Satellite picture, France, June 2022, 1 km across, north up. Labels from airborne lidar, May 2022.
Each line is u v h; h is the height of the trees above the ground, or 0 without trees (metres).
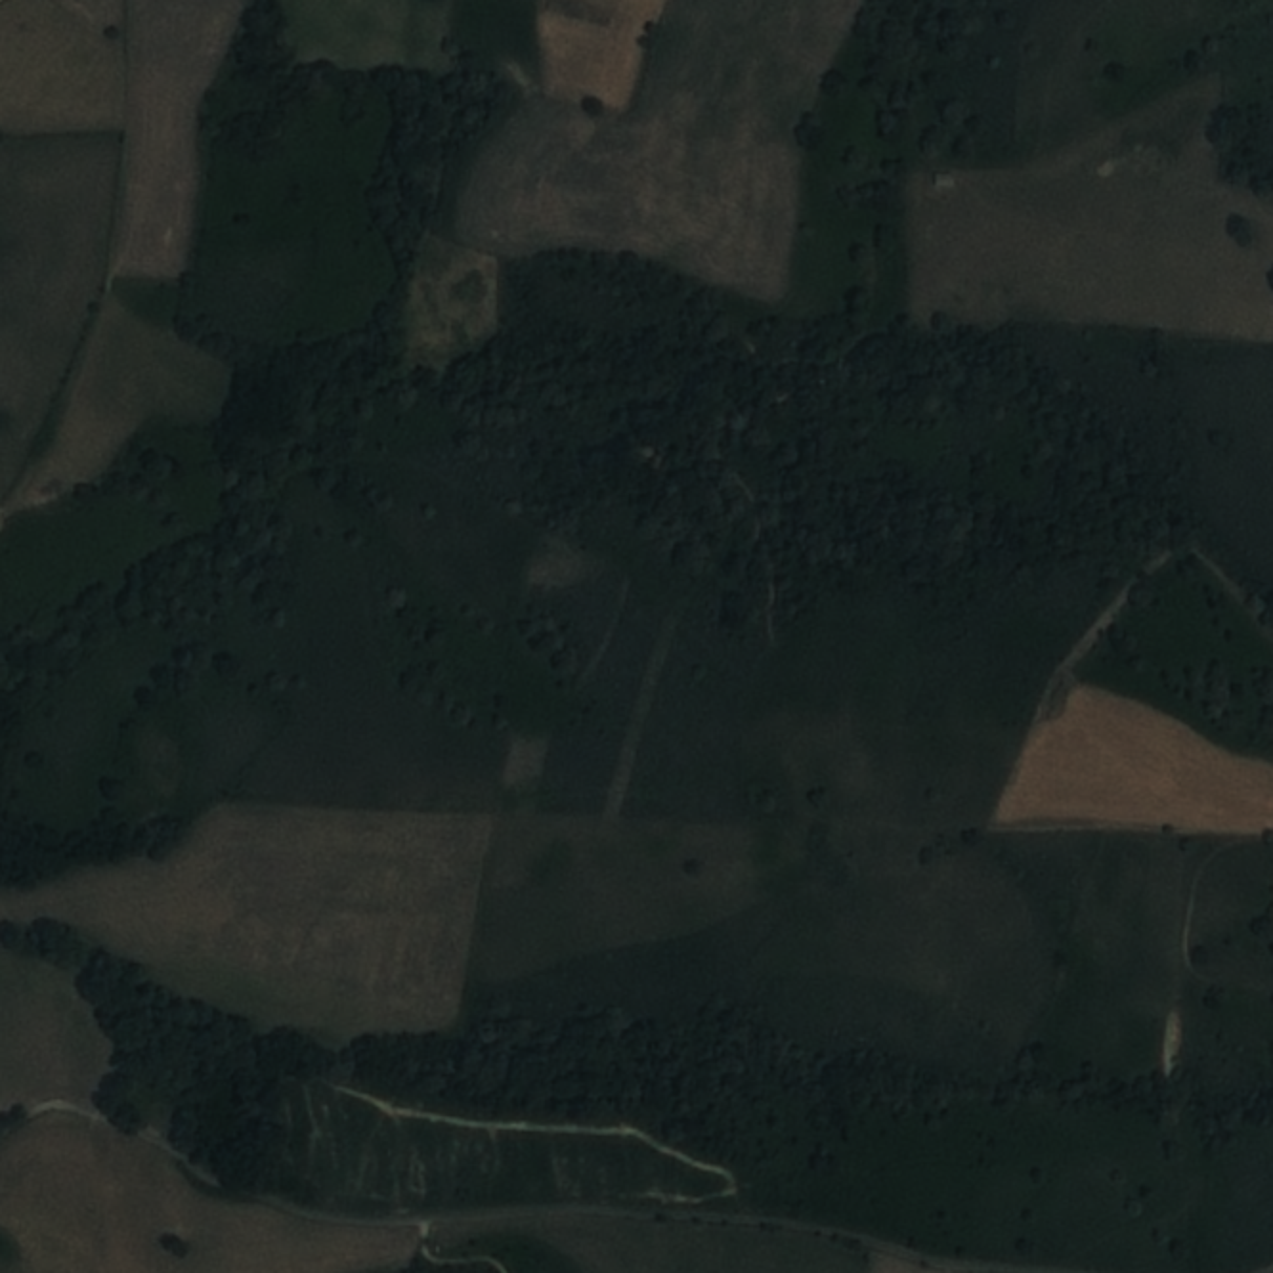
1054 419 16
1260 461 0
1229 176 6
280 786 0
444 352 0
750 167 0
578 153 0
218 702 0
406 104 22
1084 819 0
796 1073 10
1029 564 9
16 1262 0
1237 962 0
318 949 0
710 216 0
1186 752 0
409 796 0
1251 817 0
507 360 17
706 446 24
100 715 0
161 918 0
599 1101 18
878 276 0
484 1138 0
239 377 13
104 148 0
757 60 0
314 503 0
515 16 0
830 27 0
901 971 0
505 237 0
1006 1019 0
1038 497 0
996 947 0
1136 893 0
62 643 17
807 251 0
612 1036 17
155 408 0
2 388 0
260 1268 0
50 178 0
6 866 25
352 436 11
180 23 0
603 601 0
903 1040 0
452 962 0
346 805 0
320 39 0
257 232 0
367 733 0
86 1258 0
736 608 16
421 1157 0
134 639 0
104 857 14
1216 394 0
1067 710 0
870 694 0
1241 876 0
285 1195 0
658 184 0
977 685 0
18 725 9
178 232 0
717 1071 13
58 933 21
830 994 0
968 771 0
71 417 0
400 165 23
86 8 0
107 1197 0
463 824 0
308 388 23
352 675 0
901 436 0
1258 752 0
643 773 0
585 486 9
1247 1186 0
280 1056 19
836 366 18
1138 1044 0
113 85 0
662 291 9
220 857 0
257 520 18
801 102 0
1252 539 0
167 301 0
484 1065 21
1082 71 0
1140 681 0
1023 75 0
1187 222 0
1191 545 16
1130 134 0
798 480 16
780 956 0
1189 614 0
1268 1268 0
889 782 0
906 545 13
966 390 17
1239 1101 9
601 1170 0
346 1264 0
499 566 0
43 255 0
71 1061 0
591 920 0
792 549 9
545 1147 0
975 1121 0
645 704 0
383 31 0
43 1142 0
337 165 0
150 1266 0
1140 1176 0
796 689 0
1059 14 0
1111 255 0
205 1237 0
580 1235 0
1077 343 0
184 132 0
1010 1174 0
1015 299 0
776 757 0
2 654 13
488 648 0
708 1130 11
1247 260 0
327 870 0
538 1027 11
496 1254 6
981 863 0
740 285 0
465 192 0
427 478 0
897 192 18
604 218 0
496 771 0
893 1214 0
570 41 0
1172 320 0
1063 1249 0
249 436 24
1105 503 18
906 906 0
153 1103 0
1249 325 0
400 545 0
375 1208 0
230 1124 12
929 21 16
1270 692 14
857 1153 0
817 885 0
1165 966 0
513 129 0
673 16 0
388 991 0
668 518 13
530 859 0
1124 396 0
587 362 14
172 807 0
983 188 0
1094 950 0
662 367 18
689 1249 0
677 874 0
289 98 15
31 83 0
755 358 9
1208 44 10
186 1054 26
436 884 0
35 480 0
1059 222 0
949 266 0
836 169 0
